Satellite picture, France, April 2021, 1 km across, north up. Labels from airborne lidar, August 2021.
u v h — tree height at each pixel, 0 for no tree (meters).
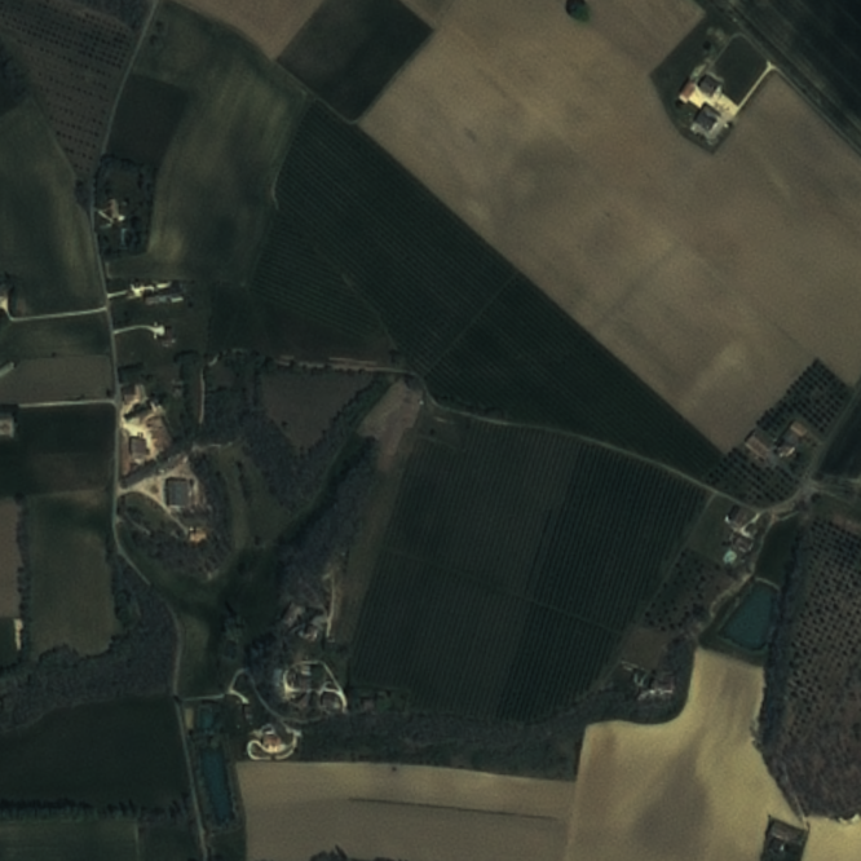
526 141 0
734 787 0
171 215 0
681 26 0
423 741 18
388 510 0
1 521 0
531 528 5
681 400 0
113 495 0
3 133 0
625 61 0
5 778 0
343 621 0
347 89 0
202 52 0
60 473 0
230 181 0
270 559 0
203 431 9
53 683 19
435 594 5
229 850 0
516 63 0
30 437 0
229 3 0
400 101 0
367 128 0
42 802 0
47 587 0
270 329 0
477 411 7
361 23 0
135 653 16
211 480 17
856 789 15
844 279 0
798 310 0
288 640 19
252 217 0
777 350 0
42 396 0
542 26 0
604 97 0
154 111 0
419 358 6
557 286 0
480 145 0
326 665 6
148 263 0
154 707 0
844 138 0
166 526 10
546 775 0
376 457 15
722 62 0
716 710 0
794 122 0
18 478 0
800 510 15
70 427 0
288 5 0
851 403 0
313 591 16
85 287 0
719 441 0
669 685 0
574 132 0
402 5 0
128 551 0
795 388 6
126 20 15
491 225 0
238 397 9
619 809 0
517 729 10
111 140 0
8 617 0
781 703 10
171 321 0
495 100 0
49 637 0
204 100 0
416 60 0
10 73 15
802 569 11
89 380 0
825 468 0
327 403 0
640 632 0
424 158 0
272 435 14
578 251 0
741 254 0
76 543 0
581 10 18
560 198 0
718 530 0
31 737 0
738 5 0
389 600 5
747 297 0
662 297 0
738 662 0
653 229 0
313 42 0
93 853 0
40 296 0
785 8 0
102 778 0
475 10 0
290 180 6
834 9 0
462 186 0
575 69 0
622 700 12
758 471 8
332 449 16
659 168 0
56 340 0
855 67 0
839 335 0
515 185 0
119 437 0
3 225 0
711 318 0
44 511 0
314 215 6
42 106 0
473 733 20
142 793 0
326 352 0
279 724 11
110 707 0
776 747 14
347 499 21
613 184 0
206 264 0
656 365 0
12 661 0
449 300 6
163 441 0
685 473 0
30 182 0
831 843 0
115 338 0
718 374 0
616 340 0
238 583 0
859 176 0
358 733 18
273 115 0
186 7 0
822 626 6
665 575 0
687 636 10
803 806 8
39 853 0
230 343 0
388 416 0
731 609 0
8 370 0
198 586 0
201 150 0
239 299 0
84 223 0
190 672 0
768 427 6
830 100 0
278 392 0
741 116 0
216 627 0
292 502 21
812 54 0
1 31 0
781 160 0
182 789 0
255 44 0
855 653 7
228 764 7
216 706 8
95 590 0
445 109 0
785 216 0
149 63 0
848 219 0
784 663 13
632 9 0
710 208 0
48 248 0
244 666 0
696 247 0
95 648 0
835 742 15
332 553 16
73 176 0
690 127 0
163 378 0
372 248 5
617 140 0
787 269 0
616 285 0
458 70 0
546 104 0
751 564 11
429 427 0
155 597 21
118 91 0
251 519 0
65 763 0
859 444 0
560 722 17
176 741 0
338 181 5
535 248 0
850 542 7
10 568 0
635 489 5
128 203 10
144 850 0
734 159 0
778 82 0
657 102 0
